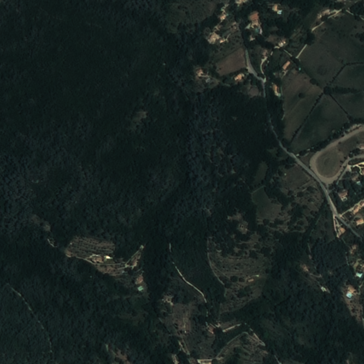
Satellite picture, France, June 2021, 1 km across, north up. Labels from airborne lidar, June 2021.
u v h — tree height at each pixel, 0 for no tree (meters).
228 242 19
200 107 11
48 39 11
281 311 14
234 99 14
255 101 11
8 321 11
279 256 11
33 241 18
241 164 14
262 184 10
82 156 13
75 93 13
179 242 21
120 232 10
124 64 9
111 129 16
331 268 18
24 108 16
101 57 11
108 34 6
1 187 20
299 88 0
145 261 18
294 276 11
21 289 19
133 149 18
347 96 0
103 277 12
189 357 6
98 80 9
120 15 14
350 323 13
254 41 13
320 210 10
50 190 17
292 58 12
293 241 13
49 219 16
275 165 17
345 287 5
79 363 16
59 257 18
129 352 19
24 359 10
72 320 12
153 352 16
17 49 12
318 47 0
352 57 0
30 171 6
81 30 10
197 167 21
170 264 6
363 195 10
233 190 14
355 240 8
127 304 13
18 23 13
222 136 16
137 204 17
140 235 12
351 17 0
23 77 12
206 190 13
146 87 8
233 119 11
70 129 12
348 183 16
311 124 0
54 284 20
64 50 11
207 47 20
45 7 9
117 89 9
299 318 7
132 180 16
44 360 17
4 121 16
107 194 18
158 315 13
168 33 10
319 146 10
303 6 17
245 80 6
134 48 7
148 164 14
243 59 0
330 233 0
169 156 16
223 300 12
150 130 15
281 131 16
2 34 9
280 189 12
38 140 15
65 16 7
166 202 17
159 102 19
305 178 0
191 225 12
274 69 9
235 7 16
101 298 16
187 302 15
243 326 11
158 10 7
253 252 12
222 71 0
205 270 7
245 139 14
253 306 9
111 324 13
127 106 15
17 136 20
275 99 21
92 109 13
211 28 16
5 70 14
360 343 15
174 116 17
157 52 10
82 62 10
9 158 30
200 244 8
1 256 20
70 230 11
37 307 9
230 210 12
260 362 6
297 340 15
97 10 14
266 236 10
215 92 12
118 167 13
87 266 16
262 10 9
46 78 15
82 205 14
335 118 0
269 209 0
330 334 21
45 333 20
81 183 20
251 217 15
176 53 17
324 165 0
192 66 11
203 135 8
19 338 16
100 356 8
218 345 13
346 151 0
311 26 0
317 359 13
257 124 12
